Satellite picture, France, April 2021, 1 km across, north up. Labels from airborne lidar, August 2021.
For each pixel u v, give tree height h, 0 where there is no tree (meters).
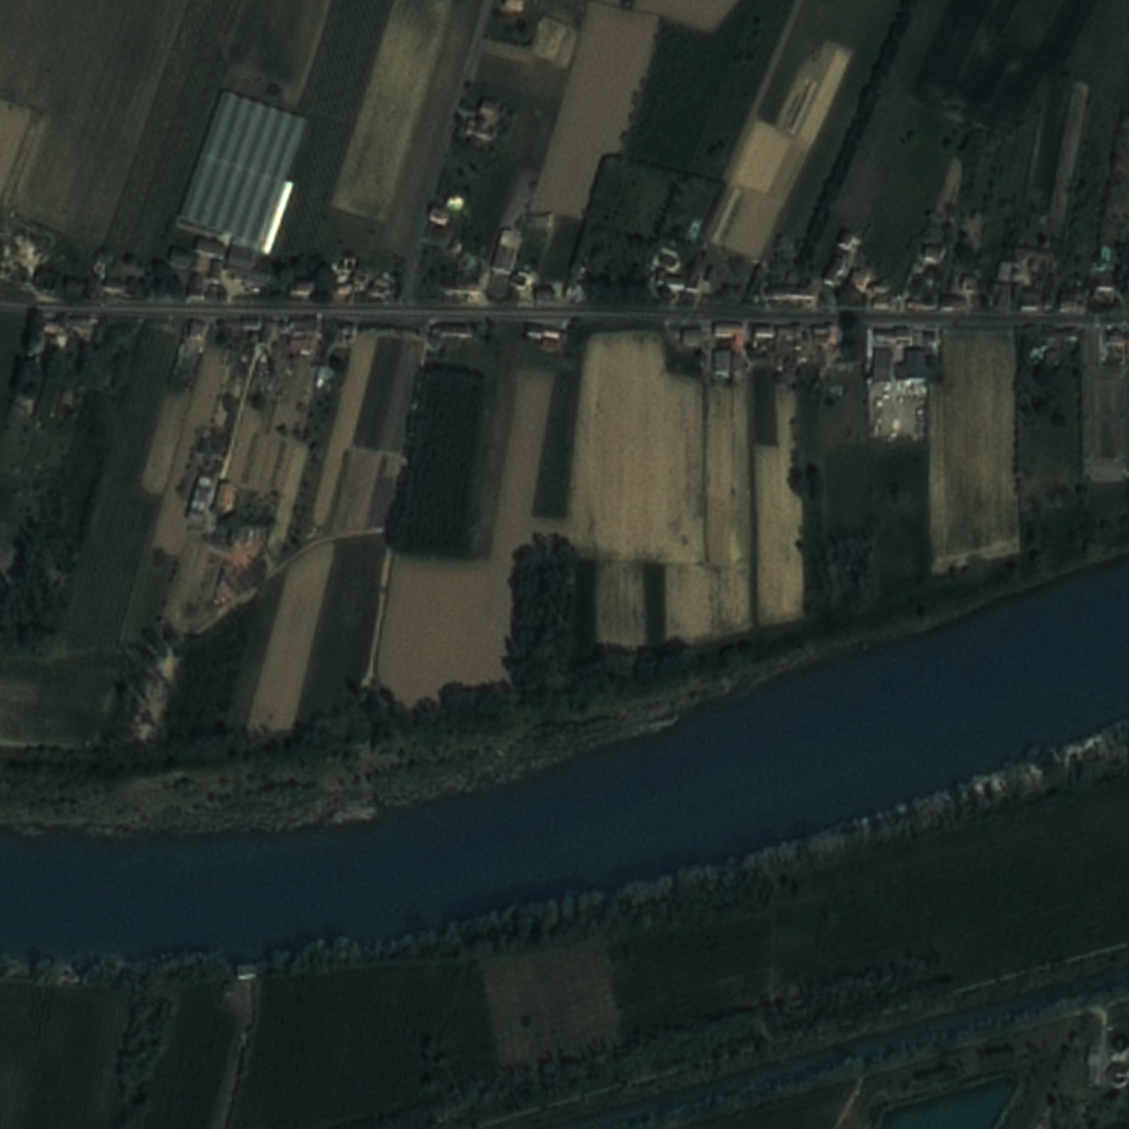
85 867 0
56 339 0
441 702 9
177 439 0
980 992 10
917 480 0
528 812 0
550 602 30
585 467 0
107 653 0
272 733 15
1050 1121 9
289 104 0
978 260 7
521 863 0
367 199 0
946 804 20
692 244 5
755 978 6
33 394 8
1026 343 6
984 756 0
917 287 8
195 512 0
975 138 6
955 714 0
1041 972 6
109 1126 0
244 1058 8
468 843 0
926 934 6
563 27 0
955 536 0
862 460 0
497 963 20
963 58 0
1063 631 0
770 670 0
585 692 31
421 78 0
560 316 0
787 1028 11
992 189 7
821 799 0
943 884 7
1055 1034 0
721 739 0
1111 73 0
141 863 0
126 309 0
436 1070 11
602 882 0
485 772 0
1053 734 0
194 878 0
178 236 0
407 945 9
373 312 0
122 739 9
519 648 18
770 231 0
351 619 0
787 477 0
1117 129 6
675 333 0
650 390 0
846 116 0
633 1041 8
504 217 0
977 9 0
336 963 16
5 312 0
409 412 0
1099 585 0
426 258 6
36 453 0
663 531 0
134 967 20
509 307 0
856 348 19
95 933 0
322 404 5
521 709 15
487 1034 6
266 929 0
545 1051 0
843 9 0
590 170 0
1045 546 14
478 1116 13
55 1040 0
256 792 7
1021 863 6
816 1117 0
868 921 6
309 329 0
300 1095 0
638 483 0
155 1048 16
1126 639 0
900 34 7
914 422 0
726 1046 11
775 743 0
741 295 8
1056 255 7
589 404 0
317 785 10
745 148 0
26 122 0
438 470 24
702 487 0
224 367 0
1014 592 0
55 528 12
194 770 0
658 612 0
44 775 16
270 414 0
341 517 0
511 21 12
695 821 0
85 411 7
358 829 0
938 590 0
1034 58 0
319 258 11
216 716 8
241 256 0
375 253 0
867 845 18
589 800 0
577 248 6
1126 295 10
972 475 0
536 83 0
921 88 0
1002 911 8
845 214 0
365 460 0
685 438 0
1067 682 0
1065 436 0
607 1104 6
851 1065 17
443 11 0
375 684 11
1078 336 6
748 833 0
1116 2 0
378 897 0
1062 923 5
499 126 7
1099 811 6
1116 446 0
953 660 0
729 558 0
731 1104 15
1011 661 0
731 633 0
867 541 17
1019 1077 6
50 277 15
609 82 0
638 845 0
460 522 27
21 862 0
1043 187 0
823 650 0
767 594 0
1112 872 6
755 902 23
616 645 0
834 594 23
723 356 0
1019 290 7
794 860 31
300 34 0
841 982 16
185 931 0
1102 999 12
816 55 0
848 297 15
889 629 0
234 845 0
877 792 0
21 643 19
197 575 0
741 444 0
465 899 0
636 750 0
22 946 0
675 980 6
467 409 21
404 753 10
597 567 0
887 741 0
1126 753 17
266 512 5
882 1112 12
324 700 0
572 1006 0
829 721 0
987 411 0
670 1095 0
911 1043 13
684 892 30
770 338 6
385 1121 13
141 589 0
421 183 0
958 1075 13
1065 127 0
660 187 0
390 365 0
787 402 0
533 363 0
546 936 30
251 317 0
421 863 0
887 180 0
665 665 28
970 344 0
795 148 0
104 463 12
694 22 0
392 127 0
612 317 0
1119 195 14
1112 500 0
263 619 0
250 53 0
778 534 0
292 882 0
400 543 26
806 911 0
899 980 10
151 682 13
